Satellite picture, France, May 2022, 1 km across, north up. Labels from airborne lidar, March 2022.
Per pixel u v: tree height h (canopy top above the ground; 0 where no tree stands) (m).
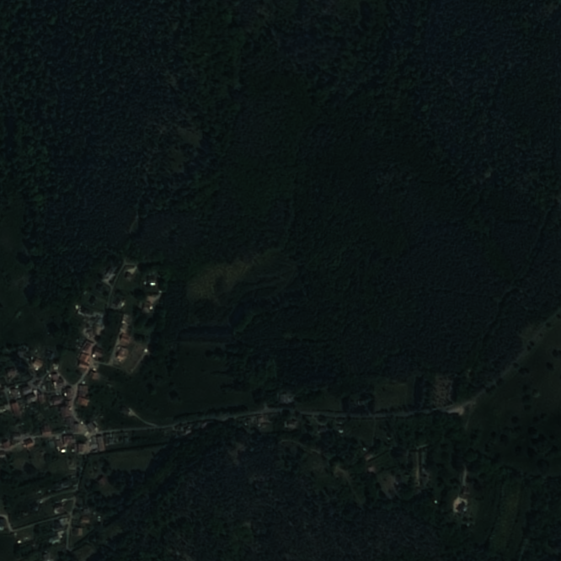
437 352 20
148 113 26
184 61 18
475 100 17
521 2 18
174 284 14
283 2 32
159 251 19
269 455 24
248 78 14
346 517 14
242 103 26
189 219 19
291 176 26
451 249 24
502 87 17
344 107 18
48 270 21
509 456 0
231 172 24
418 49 28
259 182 30
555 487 13
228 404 0
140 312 16
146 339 12
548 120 16
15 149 33
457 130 23
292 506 29
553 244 23
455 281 21
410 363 24
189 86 25
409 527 22
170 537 25
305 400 16
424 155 14
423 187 16
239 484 23
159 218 23
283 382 13
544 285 22
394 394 0
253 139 25
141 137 21
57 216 21
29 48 31
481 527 0
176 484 23
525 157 22
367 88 30
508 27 24
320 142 17
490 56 23
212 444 9
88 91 30
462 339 18
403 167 14
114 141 23
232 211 27
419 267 18
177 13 7
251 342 13
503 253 19
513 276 16
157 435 0
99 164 26
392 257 15
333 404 0
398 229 13
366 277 15
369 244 13
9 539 0
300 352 8
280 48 36
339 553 22
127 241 19
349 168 13
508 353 18
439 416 18
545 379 0
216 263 19
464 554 17
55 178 28
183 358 0
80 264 22
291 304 7
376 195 14
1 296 0
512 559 0
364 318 13
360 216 15
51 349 0
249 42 9
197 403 0
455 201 16
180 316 16
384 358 16
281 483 25
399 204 15
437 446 8
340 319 17
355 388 23
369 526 25
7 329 0
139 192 23
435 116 26
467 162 27
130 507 24
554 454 19
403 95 23
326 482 0
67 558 11
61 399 0
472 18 25
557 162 17
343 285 15
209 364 0
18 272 0
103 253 21
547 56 20
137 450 6
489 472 18
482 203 19
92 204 23
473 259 21
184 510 20
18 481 7
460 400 18
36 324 0
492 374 18
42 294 22
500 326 19
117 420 0
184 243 23
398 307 12
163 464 24
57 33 33
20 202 0
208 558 24
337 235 22
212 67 14
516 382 0
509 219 13
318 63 37
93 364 0
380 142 10
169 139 12
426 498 18
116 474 10
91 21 30
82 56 29
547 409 0
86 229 24
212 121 21
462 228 24
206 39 16
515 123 19
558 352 10
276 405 10
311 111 21
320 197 13
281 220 24
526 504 0
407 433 8
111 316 11
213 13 17
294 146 19
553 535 20
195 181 27
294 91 21
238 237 24
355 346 17
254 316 13
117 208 21
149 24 18
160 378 9
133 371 0
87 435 0
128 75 26
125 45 22
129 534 18
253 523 26
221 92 21
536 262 20
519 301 18
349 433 0
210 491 21
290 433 6
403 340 17
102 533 8
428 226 17
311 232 14
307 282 15
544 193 9
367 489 16
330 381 17
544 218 9
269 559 27
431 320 20
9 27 33
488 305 20
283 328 12
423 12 10
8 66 27
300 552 25
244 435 21
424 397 6
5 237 0
